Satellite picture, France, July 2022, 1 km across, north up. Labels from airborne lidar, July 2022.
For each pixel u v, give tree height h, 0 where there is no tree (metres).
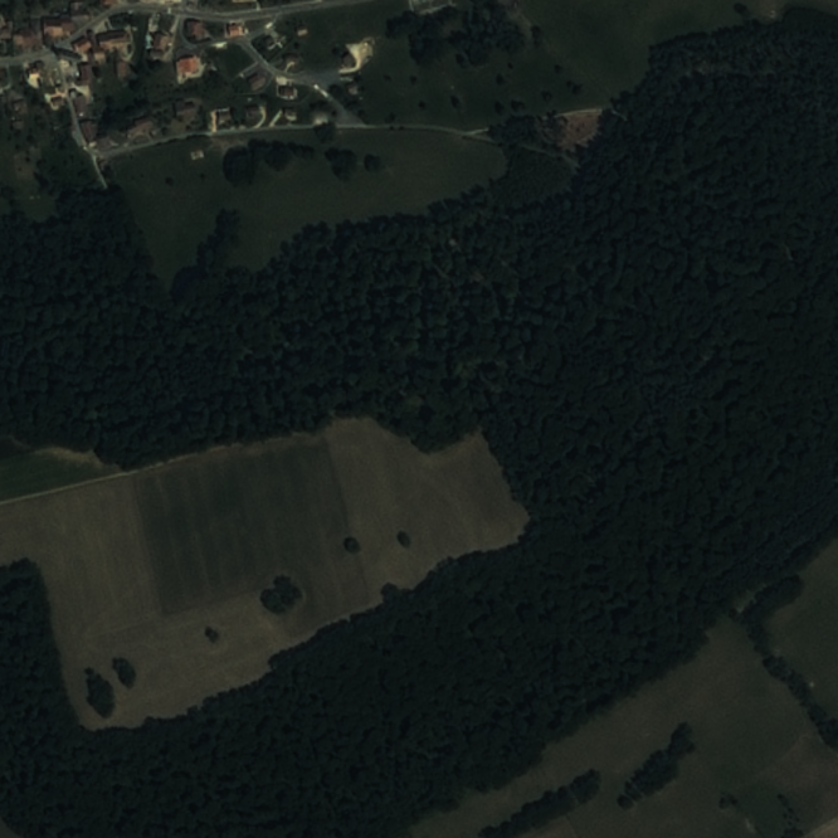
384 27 0
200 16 0
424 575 0
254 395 35
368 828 27
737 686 0
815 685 0
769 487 31
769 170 29
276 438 14
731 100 23
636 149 24
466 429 27
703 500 33
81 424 25
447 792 26
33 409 26
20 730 24
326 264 32
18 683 31
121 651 0
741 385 32
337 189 0
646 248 32
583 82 0
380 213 0
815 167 30
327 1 0
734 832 0
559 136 19
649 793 23
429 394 34
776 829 0
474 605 29
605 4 0
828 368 30
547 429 30
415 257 30
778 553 19
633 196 25
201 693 0
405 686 25
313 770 28
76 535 0
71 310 32
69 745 24
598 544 29
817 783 0
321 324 32
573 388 29
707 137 34
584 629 35
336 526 0
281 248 0
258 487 0
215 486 0
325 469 0
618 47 0
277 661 14
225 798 28
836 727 18
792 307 35
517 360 32
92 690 15
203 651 0
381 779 24
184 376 28
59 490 0
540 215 22
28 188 0
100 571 0
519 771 20
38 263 26
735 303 30
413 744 29
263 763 32
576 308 37
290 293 33
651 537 24
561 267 35
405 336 36
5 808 25
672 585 34
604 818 0
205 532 0
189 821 28
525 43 16
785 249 6
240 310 32
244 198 0
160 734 21
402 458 0
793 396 20
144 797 28
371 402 27
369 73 0
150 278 6
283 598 16
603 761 0
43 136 0
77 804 28
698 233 25
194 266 0
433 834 0
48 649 22
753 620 21
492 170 0
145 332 30
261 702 26
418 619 24
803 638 0
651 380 32
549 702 32
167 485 0
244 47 0
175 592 0
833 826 0
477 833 0
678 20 0
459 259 34
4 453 0
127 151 0
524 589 30
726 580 20
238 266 0
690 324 31
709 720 0
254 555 0
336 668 27
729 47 27
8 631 28
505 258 33
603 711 23
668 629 37
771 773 0
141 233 22
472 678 32
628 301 30
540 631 32
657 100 30
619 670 33
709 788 0
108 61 6
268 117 0
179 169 0
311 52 0
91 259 33
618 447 25
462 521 0
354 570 0
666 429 28
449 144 0
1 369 30
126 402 30
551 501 30
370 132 0
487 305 37
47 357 12
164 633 0
